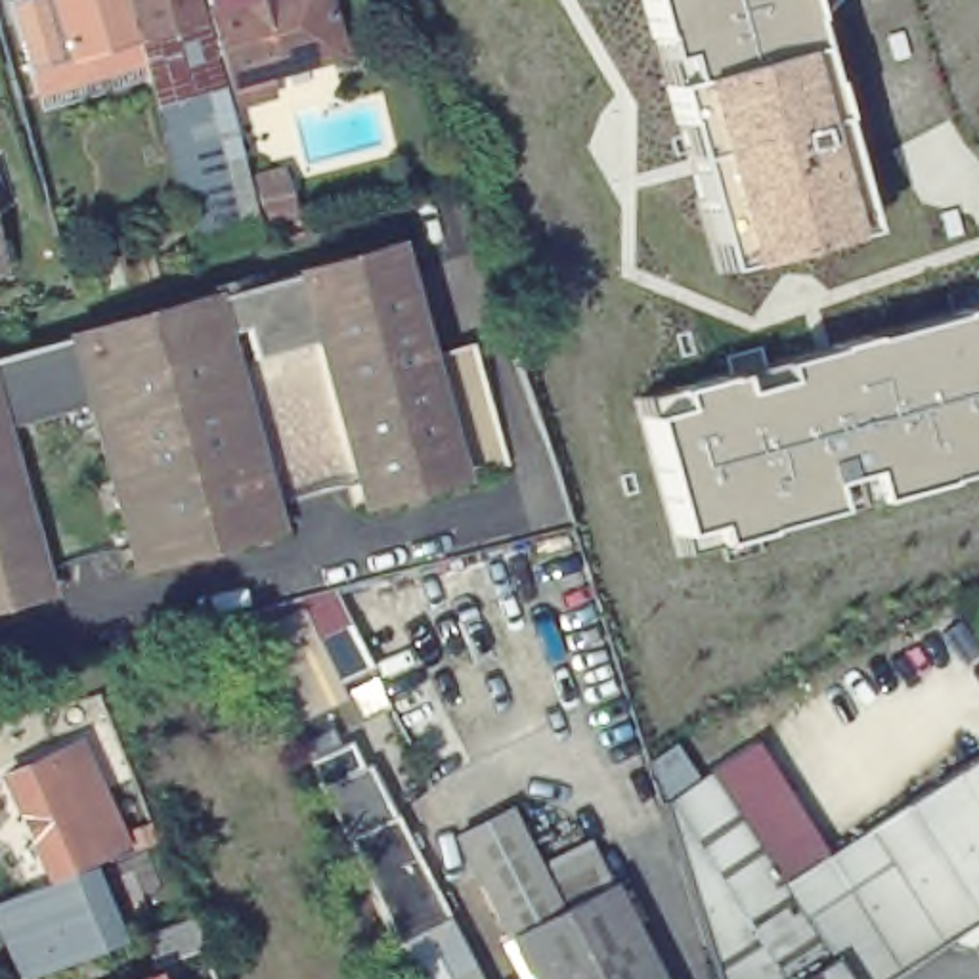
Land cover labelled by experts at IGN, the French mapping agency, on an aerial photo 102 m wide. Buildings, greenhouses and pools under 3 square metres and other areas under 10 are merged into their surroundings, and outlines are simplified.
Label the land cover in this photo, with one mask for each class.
<instances>
[{"label":"building","instance_id":"1","mask_svg":"<svg viewBox=\"0 0 979 979\"><path fill-rule=\"evenodd\" d=\"M0 57L15 96V122L27 141L42 203L65 207L69 214H73L88 195L57 187L54 161L42 138V111L65 107L80 92L130 84H149V92H157L176 180L203 191L207 203L199 207L203 226L210 233L249 214L264 222L287 218L294 226H298L302 207L294 191L306 187L314 176H302L294 161L283 157L275 161L256 153L245 161L237 115H252L256 103L275 99L287 76L321 65L337 69L352 57V42L344 34L337 0H0ZM650 34L662 50L665 92L681 122V130L673 134V164L681 180L696 184L711 264L723 275L815 260L860 241L887 237V207L864 141L860 103L841 61L830 0H642ZM887 54L899 61L910 54V46L903 34H891ZM948 237L964 229L960 218H941ZM19 256H8L0 229V279H11ZM42 417H69V424H76L88 440L99 444L107 482L115 486L122 516V532L111 543L122 562L134 566V577H176L180 570L199 562H241L260 551H272L291 532L275 490V474L283 470H291L294 486L340 474L352 505H363L371 512L428 505L432 490L478 478V470H486L490 463H509L505 432L497 421L482 359L474 344L440 348L417 256L405 241L337 264L306 268L291 279H275L249 291L241 283H229L226 291L184 306L153 310L141 317L73 333L54 344L0 356V616L54 604L61 597V577L54 574L23 451L15 444V432H31ZM161 275L157 260H141L130 268L115 264V291L141 287ZM635 417L650 447L677 555H692L700 547L750 551L799 532L826 528L876 501L922 505L979 482V310L899 337L857 340L830 356L776 363L757 379H719L707 386H688L635 402ZM677 356L696 359V333L681 329ZM516 394L535 432L547 478L558 490L555 505L562 520H572L574 505L528 367L516 371ZM620 493L639 497V478L627 470L620 474ZM268 623L287 646L302 650V700L310 715H325L333 707L352 704H359L363 715L386 711L390 692L382 681H375L382 658H371L359 627L348 620L340 585L321 581L314 589H294L287 602L233 616ZM310 784H329L337 792V818L329 834H340L352 853L371 860L379 887H371L367 899L382 922L379 941L398 937L402 964L421 971V979H482L424 853L421 838L409 830L394 795L386 792L379 769L363 761V750L356 742L325 734L314 746ZM27 826V845L42 860V876L50 883L34 895L0 903V979H31V975L61 971V968H73V964H80V960L103 956L122 948L126 929L107 891L103 864L111 860L122 872L141 849H149L157 845L153 826H122L119 807L107 792L80 746L57 750L38 765L19 769L11 784ZM650 803L658 807L677 803L681 811L685 849L730 979H887L925 948L941 945L945 937L964 948L979 945V765L925 795L922 803L906 807L891 822L876 826L864 841L830 853L807 822V815L799 811L788 784L780 780L769 753L761 750L742 753L738 761L704 780L681 750L658 757L650 795ZM507 939L501 952L516 979H669L631 895L612 880L600 853L597 845H581L566 857L539 860L516 811L478 826L474 834L455 838ZM203 945L199 922L168 925L161 933L157 956L187 960Z\"/></svg>","mask_w":979,"mask_h":979},{"label":"herbaceous vegetation","instance_id":"2","mask_svg":"<svg viewBox=\"0 0 979 979\"><path fill-rule=\"evenodd\" d=\"M459 27L474 34V76L459 88L467 99H474L501 122L512 145L516 164L509 199L520 218V237L528 241L532 256L558 275L562 287L558 329H566L570 352L551 356L547 375L532 379L574 505L572 520L583 562L593 570V593L600 600V614L642 734L654 727H677L688 711L707 704L711 692L761 677L784 654L811 642L818 627L834 620V608L857 593L895 589L933 570L964 574H979V482L922 505L876 501L826 528L799 532L750 551L700 547L692 555H677L650 447L635 417V402L688 386H707L719 379H757L776 363L830 356L857 340L899 337L979 310V256L914 275L891 291H876L845 306H830L818 325L795 317L761 333L734 329L665 294L627 283L620 275V203L589 149L597 119L612 99V88L600 76L597 61L589 57L581 34L574 31L558 0H444ZM681 329L696 333V359L677 356ZM627 470L639 478V497L620 493V474ZM589 23L597 27L600 42L616 57L635 96L639 168L673 164V134L681 130V122L665 92L662 50L650 34L642 0H581ZM841 61L860 103L864 141L887 207V237L860 241L815 260L723 275L711 264L696 184L681 180L639 191V268L746 314H757L769 291L788 275H815L822 287H838L979 237V222L975 214L960 218L964 229L948 237L941 218V207L922 203L910 187L903 145L952 122L964 145L979 153V0H830ZM929 27H937L945 61L952 69V88L960 99V107L952 111H945L937 76L925 61L922 31ZM891 34H903L910 46V54L899 61L887 54ZM69 214L65 207L42 203L27 141L15 122V96L0 57V229L8 256H19L11 279H0V321H27L31 314L46 310V298L31 291L38 279L54 287L69 272L57 256V226ZM42 138L54 161L57 187L88 195L73 214L84 222L115 226L126 214L157 210L168 195H187L199 207L207 203L203 191L176 180L157 92H149V84H130L80 92L65 107L42 111ZM394 130V153L371 164L314 176L306 187L294 191L302 207H321L363 191L421 187L428 195L432 172L421 161L424 134L413 84H390L382 96ZM424 229L421 214H390L356 226L337 241H317L310 229L298 226H294L298 252L245 256L233 264L207 268L199 275H161L141 287L115 291L111 298H99L76 317L38 325L34 333H27V340H0V356L54 344L73 333L141 317L153 310L184 306L226 291L229 283H241L249 291L275 279H291L306 268L337 264L405 241ZM15 444L23 451L54 574L61 577L73 574L65 551L111 543L122 532V516L115 486L107 482L88 493L73 482L69 490L46 497L31 432H15ZM952 616V612L925 616L922 623H903L899 635H891V646L899 654L922 650V639ZM845 696V673L826 669L815 681L795 685L792 692L761 707L727 715L719 727H711L707 715H700V734L681 750L704 780L738 761L742 753L761 750L753 738L757 730H780L784 719L799 711L807 700ZM302 734L314 746L325 734L356 742L363 734V715L359 704H352L333 707L325 715H310L302 719ZM168 742L149 761L157 765V784H172V799L187 815L184 830L222 841L214 864L218 883L199 891V906L233 918L252 945L264 948L245 979H333L321 968V956L306 933V922L317 910L302 899V891L291 880V864L302 853V830L310 822L294 815L298 788L291 784L279 761L287 742L264 738V723H214V715H207L203 707H187L164 723ZM119 807L122 826H153V811L134 776L107 792ZM107 971H111L103 956L80 960V964H73V968H61V971L31 975V979H99V975H107ZM153 979H207L187 960L157 956H141Z\"/></svg>","mask_w":979,"mask_h":979},{"label":"deciduous trees","instance_id":"3","mask_svg":"<svg viewBox=\"0 0 979 979\"><path fill-rule=\"evenodd\" d=\"M344 34L352 42V57L337 69L340 76L359 73L363 92L382 96L390 84H413L424 134L421 161L432 172L428 195L421 187L363 191L321 207H302L298 226L310 229L317 241H337L356 226L390 214H421V203H432L436 210H455L463 218L474 272L486 279L474 344L482 359L497 356L516 371L528 367L532 379L547 375L551 356L570 352L566 329H558L562 287L558 275L532 256L528 241L520 237V218L509 199L516 164L512 145L501 122L474 99H467L459 88L474 76V34L459 27L444 0H337ZM298 252L294 226L287 218L264 222L249 214L210 233L203 226L199 207L187 195H168L157 210L126 214L115 226L84 222L73 214H69L57 226V256L69 272L54 287L38 279L31 291L46 298V310L31 314L27 321H0V340H27V333H34L38 325L76 317L99 298H111L115 291V264L130 268L141 260H157L161 275H199L207 268L233 264L245 256ZM46 497L69 490L73 482L88 493L107 482L99 444L88 440L76 424H69V417H42L31 432ZM964 574L933 570L895 589L857 593L834 608V620L818 627L811 642L784 654L761 677L711 692L707 704L688 711L677 727H654L642 734V750L658 757L681 750L700 734V715H707L711 727H719L727 715L761 707L792 692L795 685L815 681L826 669L845 673L849 669L872 681L876 654H899L891 646V635H899L903 623H922L925 616L952 612L956 585ZM302 650L287 646L268 623L233 616L199 620L187 612H168L138 627L134 642L107 650L88 669L46 673L23 650H0V727L23 715H38L42 707L61 711L76 700H103L134 776L153 811V826L157 845L149 849L164 887L161 914L168 925L199 922L203 945L187 960L207 979H245L264 948L252 945L233 918L199 906V891L218 883L214 864L222 841L184 830L187 815L172 799V784H157V765L149 761L168 742L164 723L187 707H203L207 715H214V723H264V738L287 742L279 761L291 784L298 788L294 815L310 822L302 830V853L291 864V880L302 891V899L317 910L306 922V933L321 956V968L333 979H421V971L402 964L398 937L379 941L382 922L367 899L371 887H379L371 860L352 853L340 834H329L337 818V792L329 784H310L314 746L302 734V719L310 715L302 700ZM402 750V772L432 788L440 776L444 738L432 727H405L402 734H394ZM161 933L145 937L126 929L122 948L103 956L111 971H107V975H99V979H153L141 956H157Z\"/></svg>","mask_w":979,"mask_h":979},{"label":"pervious surface","instance_id":"4","mask_svg":"<svg viewBox=\"0 0 979 979\"><path fill-rule=\"evenodd\" d=\"M535 543L493 547L482 551L474 562L449 556L340 585L348 620L359 627L371 658H382L375 681H382L390 692L386 711L363 715V734L356 742L363 750V761L379 769L386 792L394 795L409 830L421 838L424 853L432 845L440 849V838H455L474 834L478 826L516 811L539 860L566 857L581 845H597L600 853L612 841L620 845L635 830L654 826L658 807L650 803V795L658 757L642 750V734L600 614V600L593 593V570L583 562L572 520H562L535 524ZM405 727H432L444 738L440 776L432 788L402 772V750L394 734H402ZM753 738L761 750L769 753L780 780L788 784L799 811L807 815V822L830 853L864 841L876 826L891 822L906 807L922 803L925 795L979 765V639L968 616H952L922 639V650L899 654H876L872 681L849 669L845 673V696L807 700L799 711L784 719L780 730H757ZM50 883L42 876V860L27 845V826L11 784L0 788V903L34 895ZM107 891L126 929L145 937L161 933L168 925L161 914L164 887L149 849H141L122 872L111 860L103 864Z\"/></svg>","mask_w":979,"mask_h":979},{"label":"impervious surface","instance_id":"5","mask_svg":"<svg viewBox=\"0 0 979 979\"><path fill-rule=\"evenodd\" d=\"M574 31L581 34L589 57L597 61L600 76L612 88V99L597 119L589 149L620 203V275L627 283L665 294L734 329L761 333L795 317L818 325L830 306H845L876 291H891L914 275L979 256V237L838 287H822L815 275H788L769 291L757 314H746L639 268V191L681 180L673 164L639 168L635 96L616 57L600 42L597 27L589 23L581 0H558ZM306 111H317L325 119L371 111L379 138L363 149L314 157L298 130V119ZM245 161L256 153L275 161L283 157L294 161L302 176H314L371 164L394 153V130L382 96L363 92L359 73L340 76L337 69L321 65L287 76L275 99L256 103L252 115H237ZM910 187L922 203L941 207V218H960L975 214L979 222V153L964 145L952 122L903 145ZM424 229L405 241L417 256L440 348L474 344L486 279L474 272L463 218L455 210H436L432 203H421V214ZM497 421L505 432L509 463H490L486 470H478V478L482 493H474L470 501H455L447 509L428 505L371 512L363 505H352L340 474L294 486L291 470H283L275 474V490L291 532L272 551H260L241 562H199L180 570L176 577H134V566L122 562L111 543L65 551L73 574L61 577V597L54 604L0 616V650H23L46 673L88 669L107 650L134 642L138 627L168 612H187L199 620L233 616L287 602L294 589H314L321 581L340 585L449 556L474 562L482 551L493 547L535 543V524L562 520L555 505L558 490L547 478L535 432L516 394V371L497 356L482 359ZM80 746L107 792L134 776L103 700H76L61 711L42 707L38 715H23L0 727V788L11 784L19 769L38 765L57 750ZM612 880L631 895L669 979H730L685 849L681 811L677 803L658 807L654 826L635 830L620 845L612 841L600 853ZM482 979H516L501 952L507 939L455 838H440V849L432 845L424 853ZM887 979H979V945L964 948L945 937L941 945L925 948Z\"/></svg>","mask_w":979,"mask_h":979},{"label":"brushwood","instance_id":"6","mask_svg":"<svg viewBox=\"0 0 979 979\"><path fill-rule=\"evenodd\" d=\"M925 61L937 76L945 111H952L960 107V99L952 88V69L945 61L937 27H929L922 31ZM474 493H482L478 478L432 490L428 505L447 509L455 501H470ZM952 616H968L979 639V574H964L956 585L952 612Z\"/></svg>","mask_w":979,"mask_h":979},{"label":"swimming pool","instance_id":"7","mask_svg":"<svg viewBox=\"0 0 979 979\"><path fill-rule=\"evenodd\" d=\"M298 130L314 157L363 149L379 138L371 111L325 119L317 111H306L298 119Z\"/></svg>","mask_w":979,"mask_h":979}]
</instances>
